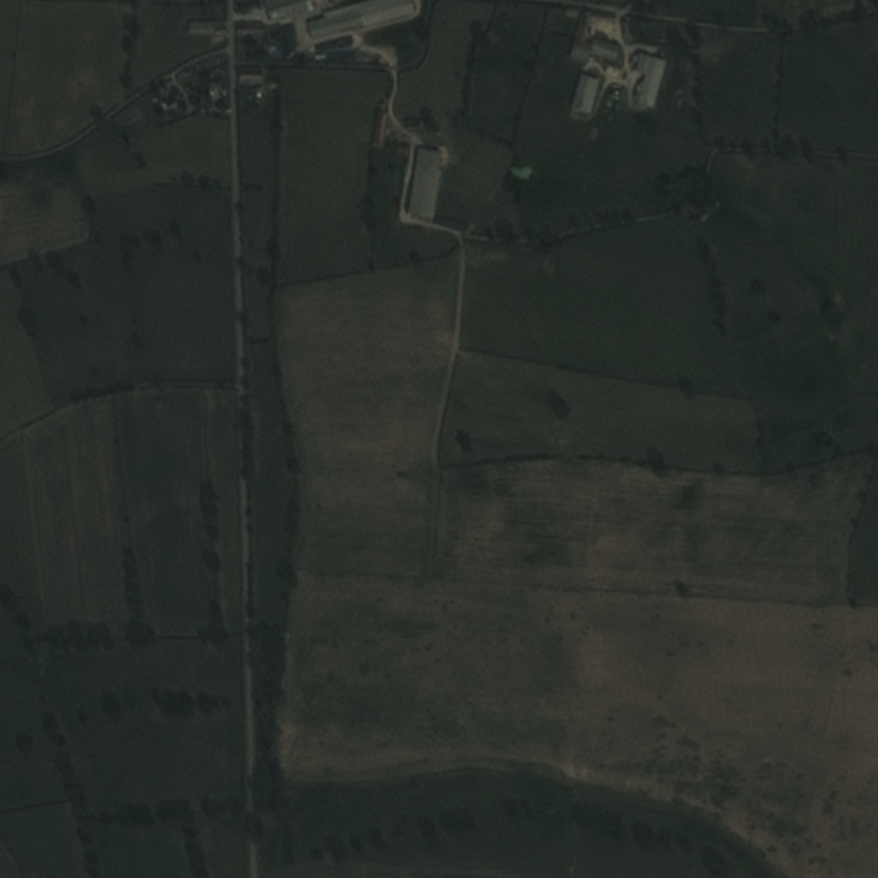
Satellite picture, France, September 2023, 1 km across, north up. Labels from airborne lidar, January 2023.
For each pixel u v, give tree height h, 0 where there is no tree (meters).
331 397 0
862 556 0
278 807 20
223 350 0
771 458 0
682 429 0
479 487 0
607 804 0
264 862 0
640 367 0
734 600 0
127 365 0
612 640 0
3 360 0
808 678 0
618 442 0
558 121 0
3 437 0
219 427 0
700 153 0
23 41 0
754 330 0
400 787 0
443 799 0
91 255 0
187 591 0
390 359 0
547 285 0
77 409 0
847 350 0
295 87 0
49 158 0
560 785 0
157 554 0
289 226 0
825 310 6
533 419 0
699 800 0
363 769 0
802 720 0
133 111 0
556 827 0
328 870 0
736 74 0
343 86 0
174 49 0
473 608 0
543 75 0
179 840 0
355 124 0
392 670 0
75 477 0
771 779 0
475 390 0
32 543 0
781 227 0
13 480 0
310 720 0
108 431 0
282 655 17
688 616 0
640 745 0
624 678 0
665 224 0
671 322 0
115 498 0
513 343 0
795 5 0
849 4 0
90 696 0
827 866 0
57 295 0
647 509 0
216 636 20
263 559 0
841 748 0
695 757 0
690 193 7
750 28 0
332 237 0
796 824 0
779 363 0
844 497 0
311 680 0
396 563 0
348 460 0
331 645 0
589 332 0
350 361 0
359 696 0
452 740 0
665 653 0
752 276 0
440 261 0
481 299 0
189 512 0
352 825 0
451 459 0
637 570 0
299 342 0
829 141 0
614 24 0
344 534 0
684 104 0
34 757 0
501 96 0
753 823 0
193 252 0
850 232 0
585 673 0
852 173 0
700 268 0
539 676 0
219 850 0
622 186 0
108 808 0
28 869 0
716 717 0
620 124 0
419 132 0
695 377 0
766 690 0
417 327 0
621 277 0
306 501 0
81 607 0
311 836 0
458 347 0
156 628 0
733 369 0
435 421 0
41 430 0
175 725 0
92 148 0
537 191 0
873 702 0
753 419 0
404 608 0
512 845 0
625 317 0
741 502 0
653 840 9
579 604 0
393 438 0
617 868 0
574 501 0
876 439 0
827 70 0
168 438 0
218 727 0
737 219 0
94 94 0
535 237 13
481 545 0
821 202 0
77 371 0
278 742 0
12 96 0
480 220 0
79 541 0
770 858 0
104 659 0
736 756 0
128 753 0
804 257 0
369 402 0
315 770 0
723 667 0
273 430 0
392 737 0
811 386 0
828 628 0
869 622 0
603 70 0
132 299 0
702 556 0
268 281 10
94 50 0
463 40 0
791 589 0
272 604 0
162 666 0
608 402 0
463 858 0
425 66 0
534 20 0
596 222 14
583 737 0
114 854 0
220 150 0
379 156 0
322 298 0
